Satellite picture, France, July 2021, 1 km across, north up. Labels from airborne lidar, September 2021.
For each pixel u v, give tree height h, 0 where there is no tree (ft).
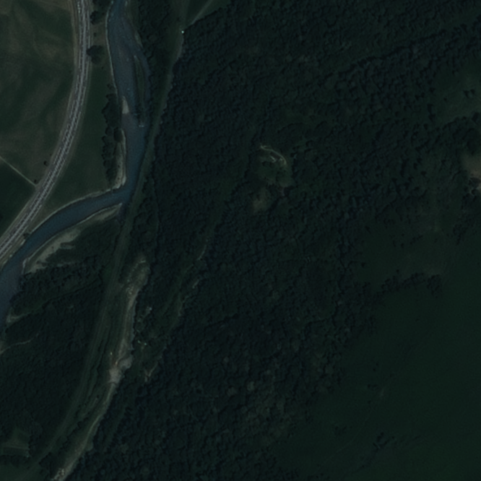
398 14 51
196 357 71
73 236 0
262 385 81
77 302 52
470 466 0
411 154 70
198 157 44
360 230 67
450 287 0
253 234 64
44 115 0
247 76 52
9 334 41
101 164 0
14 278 0
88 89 0
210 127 54
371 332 25
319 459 0
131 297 0
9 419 52
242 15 67
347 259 78
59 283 101
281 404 68
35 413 48
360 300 41
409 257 0
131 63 0
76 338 89
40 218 0
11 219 0
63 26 0
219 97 69
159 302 62
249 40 54
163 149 39
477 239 0
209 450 75
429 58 72
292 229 69
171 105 40
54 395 59
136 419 75
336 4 57
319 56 80
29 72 0
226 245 57
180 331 63
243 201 67
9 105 0
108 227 27
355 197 20
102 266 86
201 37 49
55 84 0
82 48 0
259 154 56
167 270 64
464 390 0
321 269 47
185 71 52
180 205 52
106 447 75
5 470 0
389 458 0
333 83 69
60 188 0
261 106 26
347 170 49
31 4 0
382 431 0
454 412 0
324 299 53
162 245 59
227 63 41
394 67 77
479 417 0
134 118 0
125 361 0
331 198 47
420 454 0
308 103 60
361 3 78
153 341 50
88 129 0
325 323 67
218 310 70
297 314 83
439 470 0
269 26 67
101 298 68
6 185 0
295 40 82
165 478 72
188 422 97
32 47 0
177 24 0
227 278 52
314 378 75
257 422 89
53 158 0
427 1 79
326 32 23
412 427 0
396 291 24
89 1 0
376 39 64
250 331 63
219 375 91
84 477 85
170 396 106
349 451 0
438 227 0
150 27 49
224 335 89
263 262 71
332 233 47
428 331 0
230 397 75
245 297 70
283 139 65
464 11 49
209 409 95
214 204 73
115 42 0
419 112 25
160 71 52
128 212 28
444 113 0
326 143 64
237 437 89
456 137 67
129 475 72
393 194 75
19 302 85
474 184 45
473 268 0
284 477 29
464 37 30
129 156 0
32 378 56
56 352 41
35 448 65
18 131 0
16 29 0
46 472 43
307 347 77
